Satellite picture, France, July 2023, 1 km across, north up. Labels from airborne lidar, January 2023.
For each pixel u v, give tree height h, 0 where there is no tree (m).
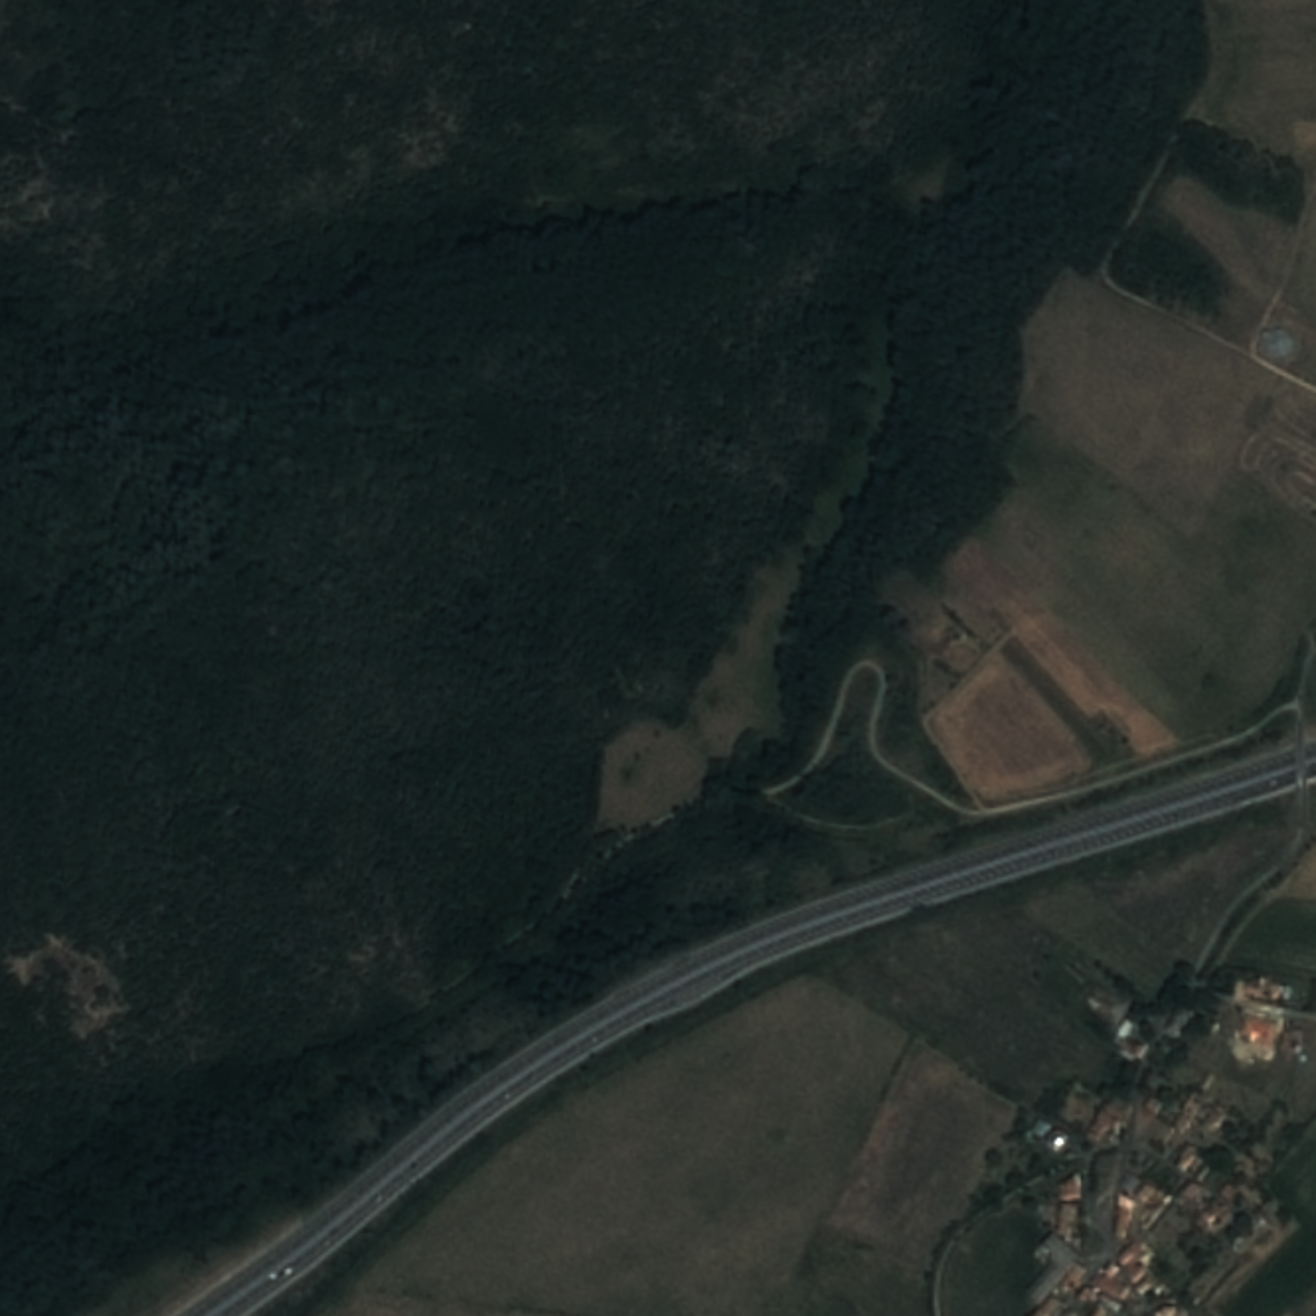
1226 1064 0
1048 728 0
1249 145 6
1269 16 0
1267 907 0
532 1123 0
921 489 24
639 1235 0
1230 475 0
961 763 0
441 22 10
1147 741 0
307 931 6
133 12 6
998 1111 0
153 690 14
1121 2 14
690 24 9
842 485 0
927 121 14
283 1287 0
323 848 13
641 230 26
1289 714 0
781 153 17
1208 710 0
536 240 26
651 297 20
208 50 10
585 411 16
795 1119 0
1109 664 0
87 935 8
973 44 13
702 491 14
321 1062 16
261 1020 14
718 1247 0
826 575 10
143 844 10
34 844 7
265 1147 10
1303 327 0
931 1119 0
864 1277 0
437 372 18
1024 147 19
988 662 0
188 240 9
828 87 6
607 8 6
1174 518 0
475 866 17
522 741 14
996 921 0
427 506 14
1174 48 13
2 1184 19
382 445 15
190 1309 0
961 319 14
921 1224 0
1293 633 0
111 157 11
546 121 9
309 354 21
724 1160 0
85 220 10
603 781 8
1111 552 0
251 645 11
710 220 22
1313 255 0
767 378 13
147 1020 14
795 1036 0
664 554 15
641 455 9
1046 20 24
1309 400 0
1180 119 8
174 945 14
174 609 14
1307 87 0
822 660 11
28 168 8
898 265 18
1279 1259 0
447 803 17
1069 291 0
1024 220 15
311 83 13
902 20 8
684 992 0
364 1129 0
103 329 20
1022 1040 0
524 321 24
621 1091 0
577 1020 11
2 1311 16
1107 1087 9
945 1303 0
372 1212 0
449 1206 0
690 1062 0
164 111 13
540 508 15
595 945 12
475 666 19
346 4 8
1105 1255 0
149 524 15
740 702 0
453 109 8
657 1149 0
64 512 17
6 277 13
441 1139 0
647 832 9
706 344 15
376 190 12
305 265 29
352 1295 0
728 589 20
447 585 20
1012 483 8
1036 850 0
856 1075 0
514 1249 0
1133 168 12
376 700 12
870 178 19
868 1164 0
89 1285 12
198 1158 15
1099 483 0
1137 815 0
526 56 15
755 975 0
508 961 7
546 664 19
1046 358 0
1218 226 0
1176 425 0
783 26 6
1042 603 0
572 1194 0
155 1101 22
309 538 11
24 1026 7
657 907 13
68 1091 14
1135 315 0
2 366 17
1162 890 0
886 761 0
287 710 10
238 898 11
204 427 16
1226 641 0
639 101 7
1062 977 0
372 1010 14
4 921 7
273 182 6
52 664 17
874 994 0
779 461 13
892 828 0
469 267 21
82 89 8
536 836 20
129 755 15
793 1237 0
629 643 15
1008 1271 0
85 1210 12
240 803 19
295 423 17
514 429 10
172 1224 8
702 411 14
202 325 20
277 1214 0
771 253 15
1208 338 0
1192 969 11
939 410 17
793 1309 0
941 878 0
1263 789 0
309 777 14
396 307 24
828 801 12
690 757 0
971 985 0
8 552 16
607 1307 0
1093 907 0
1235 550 0
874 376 22
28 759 12
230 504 20
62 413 23
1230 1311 0
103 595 19
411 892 12
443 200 18
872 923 0
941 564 7
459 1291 0
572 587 9
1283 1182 0
